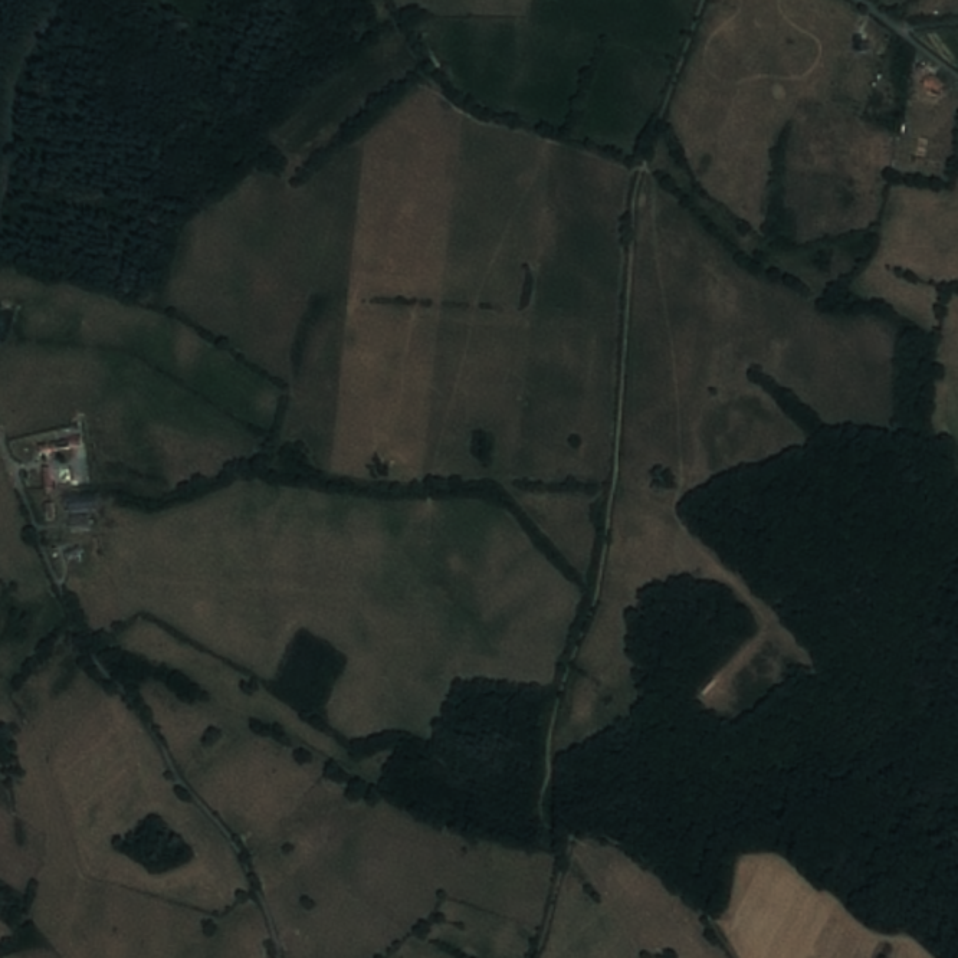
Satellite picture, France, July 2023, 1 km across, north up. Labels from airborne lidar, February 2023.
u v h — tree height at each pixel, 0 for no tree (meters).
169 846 16
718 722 20
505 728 17
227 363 0
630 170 10
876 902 21
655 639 15
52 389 0
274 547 0
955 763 17
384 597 0
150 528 0
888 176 12
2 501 0
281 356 0
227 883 0
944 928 17
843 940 0
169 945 0
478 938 0
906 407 8
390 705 0
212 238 0
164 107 20
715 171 0
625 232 12
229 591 0
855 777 17
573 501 0
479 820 11
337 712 0
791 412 16
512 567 0
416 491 12
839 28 0
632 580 0
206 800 0
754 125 0
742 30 0
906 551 23
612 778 21
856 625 21
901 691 23
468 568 0
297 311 0
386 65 0
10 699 0
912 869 28
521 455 0
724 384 0
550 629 0
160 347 0
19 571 0
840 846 24
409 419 0
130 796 0
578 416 0
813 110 0
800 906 0
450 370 0
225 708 0
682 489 0
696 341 0
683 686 23
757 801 24
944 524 21
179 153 17
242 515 0
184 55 18
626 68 0
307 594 0
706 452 0
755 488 11
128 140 30
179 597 0
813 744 16
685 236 0
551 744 0
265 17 19
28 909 6
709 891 11
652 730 17
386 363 0
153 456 0
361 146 0
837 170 0
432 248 0
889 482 23
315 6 14
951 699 16
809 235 0
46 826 0
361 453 0
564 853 13
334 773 21
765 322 0
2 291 0
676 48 0
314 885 0
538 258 0
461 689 17
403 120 0
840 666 23
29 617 0
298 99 14
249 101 16
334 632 0
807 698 22
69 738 0
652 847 12
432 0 0
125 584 0
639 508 0
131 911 0
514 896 0
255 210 0
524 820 11
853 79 0
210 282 0
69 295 0
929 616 23
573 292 0
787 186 0
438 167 0
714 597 18
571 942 0
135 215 16
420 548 0
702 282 0
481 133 0
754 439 0
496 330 0
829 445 20
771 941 0
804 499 20
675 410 0
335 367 0
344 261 0
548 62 0
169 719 0
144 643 0
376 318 0
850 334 0
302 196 0
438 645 0
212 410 0
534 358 0
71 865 0
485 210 0
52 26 0
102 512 0
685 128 0
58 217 25
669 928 0
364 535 0
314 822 0
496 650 0
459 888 0
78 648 14
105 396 0
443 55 0
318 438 0
